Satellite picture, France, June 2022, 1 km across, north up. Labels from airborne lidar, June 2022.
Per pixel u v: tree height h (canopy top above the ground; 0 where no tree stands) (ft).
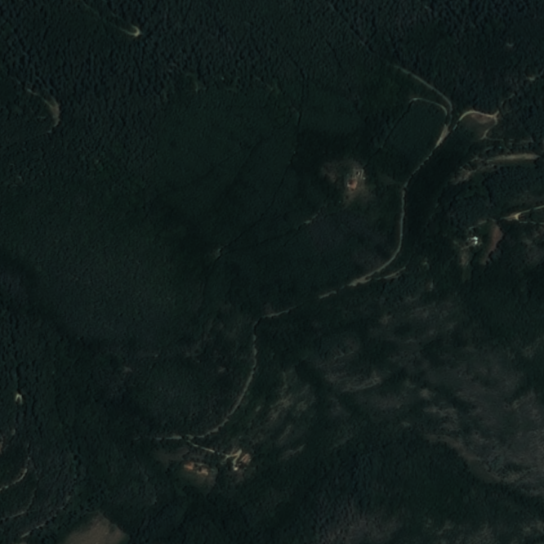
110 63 75
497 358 0
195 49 88
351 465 60
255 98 44
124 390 47
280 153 38
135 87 79
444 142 32
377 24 114
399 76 22
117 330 43
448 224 77
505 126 17
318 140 50
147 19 94
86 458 31
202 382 48
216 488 31
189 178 51
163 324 47
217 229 42
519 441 0
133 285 32
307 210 40
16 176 61
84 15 63
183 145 41
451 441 0
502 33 81
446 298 20
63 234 43
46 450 62
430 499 36
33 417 67
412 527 24
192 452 24
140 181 72
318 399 32
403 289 63
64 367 75
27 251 45
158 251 46
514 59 57
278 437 23
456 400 33
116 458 68
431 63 90
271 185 47
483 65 53
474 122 0
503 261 66
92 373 48
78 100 72
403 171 32
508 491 53
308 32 73
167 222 53
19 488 36
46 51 105
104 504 39
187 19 83
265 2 73
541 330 31
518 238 23
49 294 54
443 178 46
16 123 52
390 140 51
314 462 39
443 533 19
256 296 51
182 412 40
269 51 85
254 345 38
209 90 47
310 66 72
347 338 66
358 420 37
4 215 50
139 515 52
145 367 47
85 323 38
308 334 25
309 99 50
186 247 54
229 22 77
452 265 36
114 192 65
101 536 0
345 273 56
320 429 45
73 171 49
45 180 58
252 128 31
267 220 44
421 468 43
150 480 49
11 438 47
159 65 84
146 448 45
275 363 47
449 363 24
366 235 36
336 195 38
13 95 57
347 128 49
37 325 90
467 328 27
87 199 53
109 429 73
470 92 73
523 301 58
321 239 29
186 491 50
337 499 47
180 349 54
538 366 34
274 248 49
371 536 37
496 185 94
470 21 80
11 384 84
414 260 26
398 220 38
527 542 27
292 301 40
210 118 38
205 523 82
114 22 52
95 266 31
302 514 73
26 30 85
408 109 23
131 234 45
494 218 56
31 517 52
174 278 33
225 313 34
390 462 51
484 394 0
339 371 25
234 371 45
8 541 42
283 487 38
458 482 44
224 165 46
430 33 90
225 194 28
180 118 42
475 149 41
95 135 83
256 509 36
